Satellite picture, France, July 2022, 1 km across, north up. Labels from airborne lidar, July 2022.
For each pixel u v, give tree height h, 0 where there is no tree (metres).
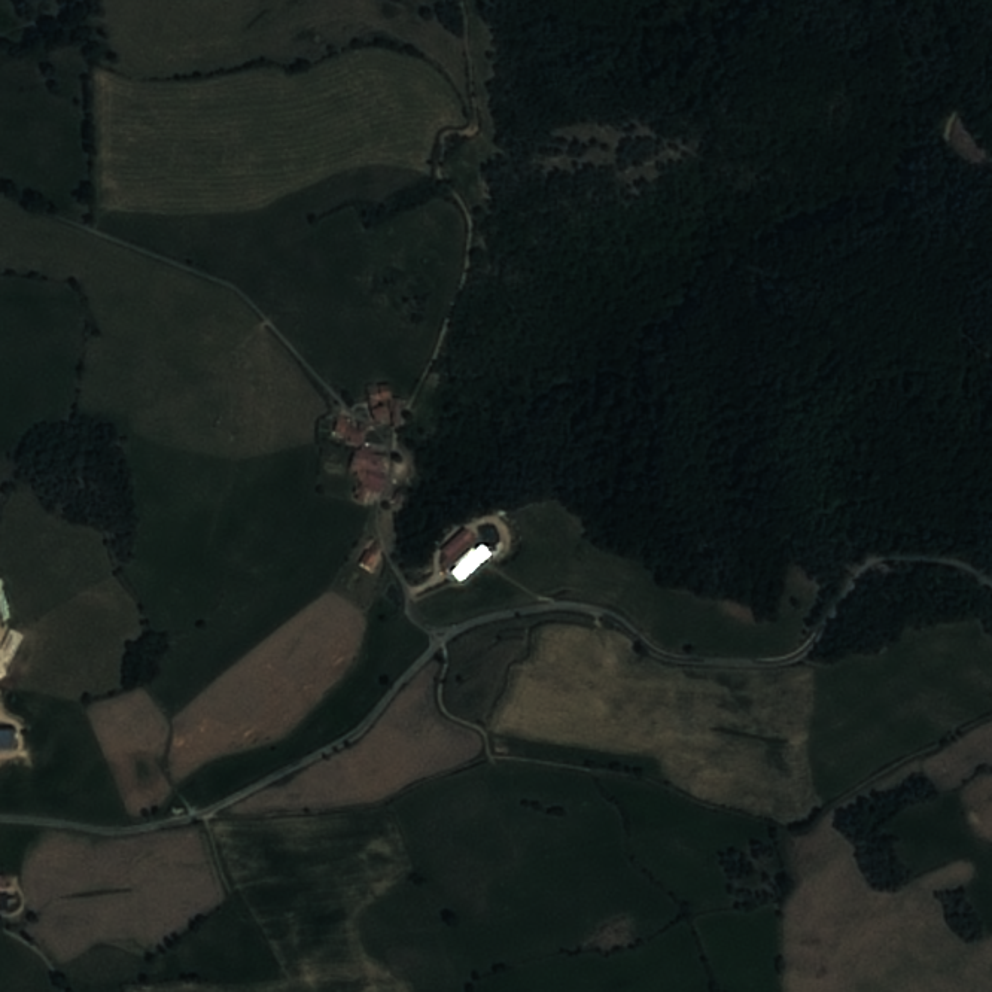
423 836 0
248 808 0
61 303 0
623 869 0
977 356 17
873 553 17
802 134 15
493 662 0
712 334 27
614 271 19
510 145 12
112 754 0
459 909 0
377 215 7
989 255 29
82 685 0
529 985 0
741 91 16
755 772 0
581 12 18
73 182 0
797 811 0
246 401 0
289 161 0
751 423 29
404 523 15
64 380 0
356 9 0
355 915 0
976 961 0
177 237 0
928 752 0
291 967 0
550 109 17
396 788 0
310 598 0
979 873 0
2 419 0
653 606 0
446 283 0
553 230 11
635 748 0
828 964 0
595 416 30
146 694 0
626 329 27
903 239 30
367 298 0
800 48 24
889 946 0
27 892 0
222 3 0
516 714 0
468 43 0
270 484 0
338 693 0
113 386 0
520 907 0
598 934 0
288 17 0
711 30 9
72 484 9
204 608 0
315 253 0
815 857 0
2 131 0
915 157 7
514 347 11
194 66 0
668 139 9
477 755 0
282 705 0
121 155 0
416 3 0
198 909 0
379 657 0
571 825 0
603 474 19
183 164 0
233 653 0
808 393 24
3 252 0
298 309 0
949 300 31
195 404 0
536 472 14
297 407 0
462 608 0
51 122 0
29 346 0
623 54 27
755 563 24
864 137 22
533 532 0
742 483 26
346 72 0
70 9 18
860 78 19
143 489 0
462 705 0
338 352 0
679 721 0
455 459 24
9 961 0
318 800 0
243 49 0
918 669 0
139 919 0
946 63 22
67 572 0
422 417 0
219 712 0
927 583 15
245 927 0
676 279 25
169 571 0
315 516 0
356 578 0
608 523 20
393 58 0
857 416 16
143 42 0
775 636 0
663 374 24
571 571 0
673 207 12
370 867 0
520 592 0
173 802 0
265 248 0
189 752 0
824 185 24
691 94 9
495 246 13
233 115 0
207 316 0
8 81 0
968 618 11
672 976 0
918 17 24
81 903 0
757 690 0
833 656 13
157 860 0
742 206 22
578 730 0
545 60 22
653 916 0
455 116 0
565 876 0
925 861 0
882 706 0
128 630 0
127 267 0
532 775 0
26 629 0
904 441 13
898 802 13
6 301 0
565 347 14
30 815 0
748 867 11
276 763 0
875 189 26
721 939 0
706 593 15
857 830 9
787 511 15
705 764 0
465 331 14
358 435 0
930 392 28
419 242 0
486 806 0
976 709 0
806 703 0
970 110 19
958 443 16
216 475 0
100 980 0
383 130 0
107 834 0
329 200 0
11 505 0
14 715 0
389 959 0
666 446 18
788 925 0
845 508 13
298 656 0
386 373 0
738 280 22
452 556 0
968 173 24
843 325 28
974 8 12
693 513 13
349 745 10
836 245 36
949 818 0
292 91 0
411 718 0
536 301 14
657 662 0
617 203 10
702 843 0
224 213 0
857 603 13
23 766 0
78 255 0
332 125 0
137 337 0
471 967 0
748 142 20
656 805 0
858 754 0
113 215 0
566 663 0
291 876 0
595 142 11
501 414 23
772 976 0
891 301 29
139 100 0
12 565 0
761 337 28
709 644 0
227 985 0
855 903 0
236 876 0
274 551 0
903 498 14
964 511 15
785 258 29
